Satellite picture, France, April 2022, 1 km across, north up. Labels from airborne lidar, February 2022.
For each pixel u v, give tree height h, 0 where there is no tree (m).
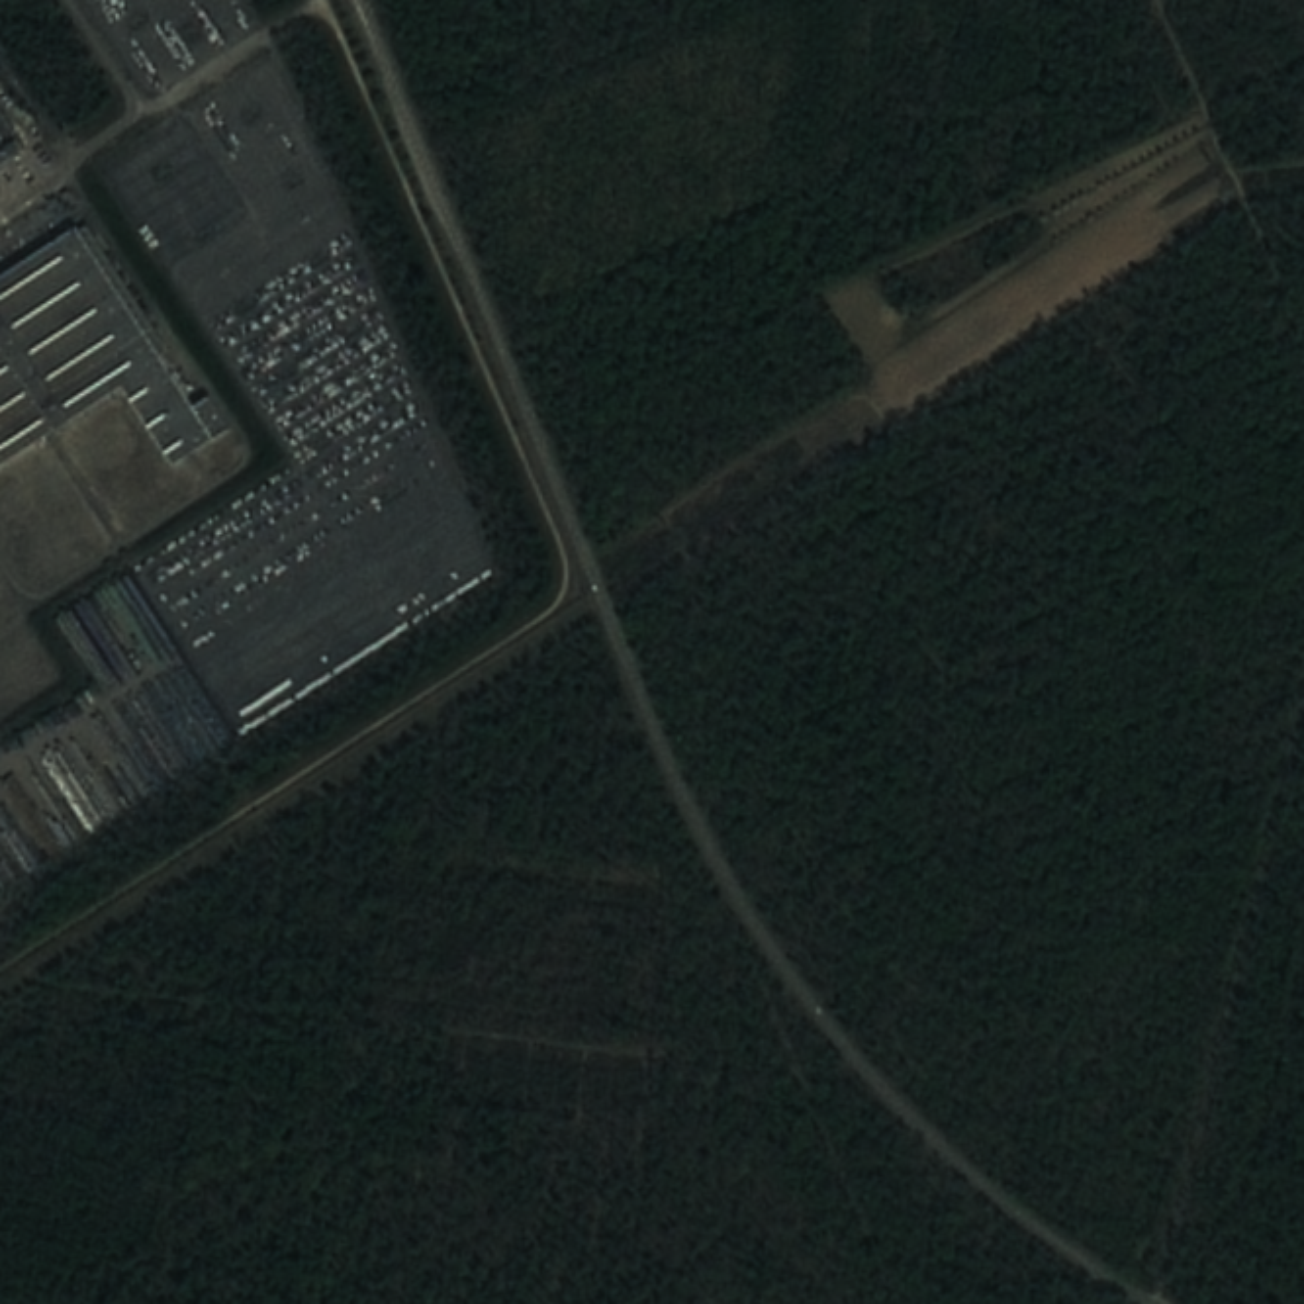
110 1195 9
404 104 0
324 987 16
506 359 0
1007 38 14
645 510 12
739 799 13
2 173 0
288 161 0
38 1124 12
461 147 13
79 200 0
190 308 0
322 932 12
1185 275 18
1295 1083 16
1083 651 17
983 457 16
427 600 0
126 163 0
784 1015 15
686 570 16
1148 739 17
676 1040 13
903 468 22
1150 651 20
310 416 0
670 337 17
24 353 0
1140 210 0
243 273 0
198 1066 11
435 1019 10
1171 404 19
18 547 0
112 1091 7
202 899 15
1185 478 24
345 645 0
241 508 0
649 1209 18
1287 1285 19
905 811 19
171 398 0
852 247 15
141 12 0
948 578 14
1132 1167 17
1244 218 15
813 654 15
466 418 14
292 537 0
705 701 15
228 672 0
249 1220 15
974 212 10
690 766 14
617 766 14
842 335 16
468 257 0
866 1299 14
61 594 0
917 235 12
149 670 0
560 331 13
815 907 14
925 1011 15
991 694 17
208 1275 19
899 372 0
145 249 0
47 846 0
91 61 12
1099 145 10
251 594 0
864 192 8
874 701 17
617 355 20
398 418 0
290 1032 17
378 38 0
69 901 11
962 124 18
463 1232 14
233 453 0
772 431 15
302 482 0
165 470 0
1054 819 17
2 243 0
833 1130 18
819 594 14
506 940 6
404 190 0
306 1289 12
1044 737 15
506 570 11
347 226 0
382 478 0
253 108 0
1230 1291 19
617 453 17
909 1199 14
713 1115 18
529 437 0
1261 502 18
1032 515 13
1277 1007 16
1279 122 15
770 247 18
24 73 7
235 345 0
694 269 15
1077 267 0
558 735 12
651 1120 13
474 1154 19
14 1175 9
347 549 0
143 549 0
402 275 14
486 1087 6
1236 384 22
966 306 0
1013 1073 16
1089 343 14
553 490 0
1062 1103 17
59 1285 14
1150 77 17
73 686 0
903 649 16
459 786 12
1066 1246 0
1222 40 9
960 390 15
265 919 19
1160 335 12
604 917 11
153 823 14
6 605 0
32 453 0
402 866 7
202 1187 13
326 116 12
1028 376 15
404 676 12
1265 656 16
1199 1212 17
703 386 14
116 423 0
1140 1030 15
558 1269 16
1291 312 18
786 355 20
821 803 14
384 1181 14
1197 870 19
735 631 16
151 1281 13
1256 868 17
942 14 8
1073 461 10
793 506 15
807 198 12
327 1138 18
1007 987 17
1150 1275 12
